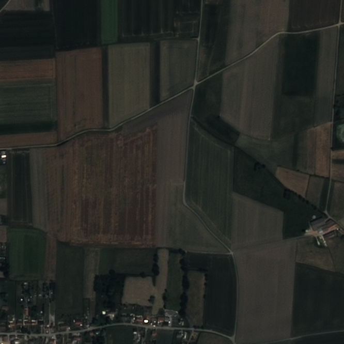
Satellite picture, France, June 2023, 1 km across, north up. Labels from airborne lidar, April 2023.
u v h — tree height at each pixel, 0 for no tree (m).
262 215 0
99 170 0
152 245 0
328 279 0
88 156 0
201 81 0
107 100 0
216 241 0
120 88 0
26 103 0
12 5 0
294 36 0
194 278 0
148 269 0
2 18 0
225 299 0
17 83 0
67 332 0
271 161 0
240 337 0
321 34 0
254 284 0
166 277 0
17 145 0
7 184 0
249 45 0
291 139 0
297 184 0
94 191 0
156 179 0
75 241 0
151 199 0
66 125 0
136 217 0
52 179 0
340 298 0
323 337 0
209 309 0
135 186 0
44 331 0
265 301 0
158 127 0
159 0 0
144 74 0
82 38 0
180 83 0
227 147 0
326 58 0
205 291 0
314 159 0
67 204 0
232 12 0
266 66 0
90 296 0
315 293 0
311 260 0
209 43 0
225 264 0
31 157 0
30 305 10
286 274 0
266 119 0
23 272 0
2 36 0
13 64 0
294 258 0
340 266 0
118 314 0
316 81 0
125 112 0
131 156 0
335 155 0
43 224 0
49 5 0
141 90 0
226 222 0
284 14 0
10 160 0
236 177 0
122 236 0
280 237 0
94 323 14
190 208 0
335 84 0
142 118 0
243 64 0
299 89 0
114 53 0
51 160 0
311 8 0
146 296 0
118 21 0
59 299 0
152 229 0
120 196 0
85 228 0
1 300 0
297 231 0
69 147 0
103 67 0
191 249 0
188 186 0
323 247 0
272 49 0
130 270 0
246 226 0
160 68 0
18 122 0
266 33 0
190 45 0
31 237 0
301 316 0
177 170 0
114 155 0
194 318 0
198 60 0
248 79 0
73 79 0
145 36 0
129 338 0
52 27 0
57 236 0
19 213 0
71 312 0
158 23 0
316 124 0
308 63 0
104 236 0
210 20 0
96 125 0
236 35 0
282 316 0
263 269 0
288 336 0
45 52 0
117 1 0
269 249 0
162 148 0
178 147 0
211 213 0
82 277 0
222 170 0
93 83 0
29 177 0
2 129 0
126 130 0
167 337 0
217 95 0
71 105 0
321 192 0
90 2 0
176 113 0
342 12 0
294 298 0
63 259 0
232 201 0
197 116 0
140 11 0
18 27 0
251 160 0
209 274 0
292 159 0
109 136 0
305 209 0
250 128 0
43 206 0
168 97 0
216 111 0
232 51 0
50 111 0
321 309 0
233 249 0
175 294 0
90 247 0
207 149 0
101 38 0
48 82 0
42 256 0
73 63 0
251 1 0
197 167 0
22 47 0
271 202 0
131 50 0
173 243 0
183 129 0
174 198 0
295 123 0
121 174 0
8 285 0
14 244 0
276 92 0
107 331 0
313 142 0
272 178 0
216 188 0
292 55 0
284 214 0
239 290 0
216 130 0
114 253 0
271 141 0
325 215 6
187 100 0
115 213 0
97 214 0
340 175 0
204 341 0
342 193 0
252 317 0
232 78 0
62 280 0
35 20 0
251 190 0
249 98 0
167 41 0
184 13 0
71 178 0
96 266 0
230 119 0
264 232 0
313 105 0
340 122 0
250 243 0
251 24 0
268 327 0
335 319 0
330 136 0
